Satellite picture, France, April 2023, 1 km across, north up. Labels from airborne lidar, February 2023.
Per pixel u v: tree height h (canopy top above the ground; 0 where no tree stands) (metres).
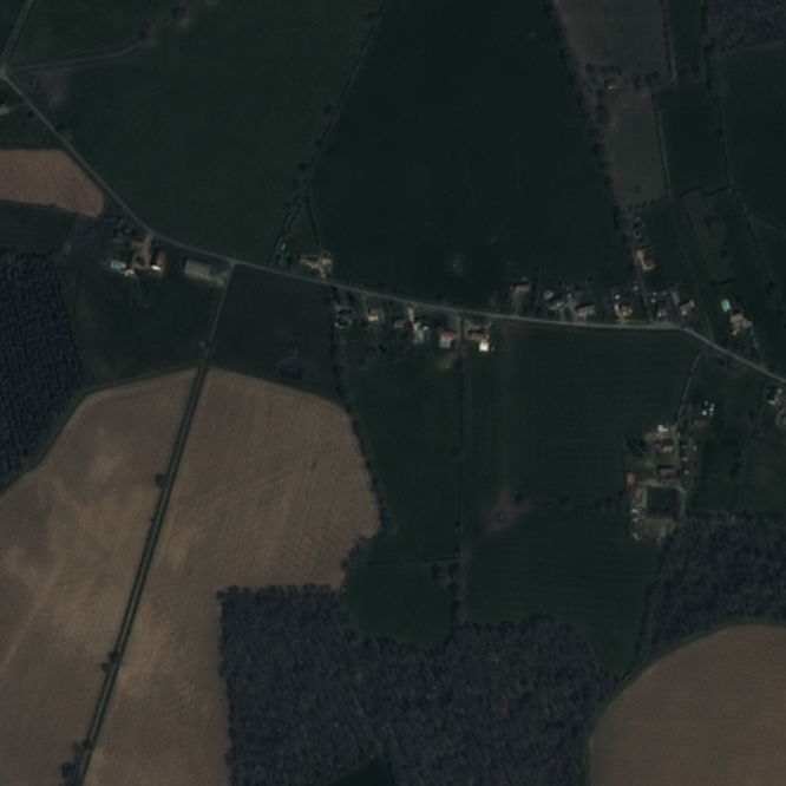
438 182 0
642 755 0
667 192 6
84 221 8
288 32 0
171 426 0
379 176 0
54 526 0
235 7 0
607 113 17
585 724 9
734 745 0
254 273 0
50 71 0
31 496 0
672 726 0
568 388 0
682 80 10
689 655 0
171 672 0
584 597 0
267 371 0
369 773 0
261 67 0
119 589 0
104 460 0
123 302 0
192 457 0
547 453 0
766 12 20
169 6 0
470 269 0
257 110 0
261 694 23
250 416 0
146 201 0
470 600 0
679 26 0
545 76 0
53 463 0
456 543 0
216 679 0
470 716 18
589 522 0
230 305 0
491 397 0
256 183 0
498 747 21
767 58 0
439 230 0
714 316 0
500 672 22
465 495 0
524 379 0
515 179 0
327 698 24
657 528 0
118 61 0
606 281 0
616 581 0
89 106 0
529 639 18
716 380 0
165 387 0
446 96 0
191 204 0
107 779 0
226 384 0
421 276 0
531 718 18
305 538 0
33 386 12
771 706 0
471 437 0
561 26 14
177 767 0
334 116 14
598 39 0
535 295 8
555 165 0
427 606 0
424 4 0
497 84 0
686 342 0
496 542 0
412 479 0
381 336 7
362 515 0
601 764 0
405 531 0
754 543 20
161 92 0
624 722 0
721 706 0
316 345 0
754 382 0
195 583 0
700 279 0
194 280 0
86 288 0
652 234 0
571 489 0
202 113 0
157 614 0
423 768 21
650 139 0
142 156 0
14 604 0
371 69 0
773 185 0
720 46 19
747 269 0
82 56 0
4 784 0
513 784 25
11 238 0
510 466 0
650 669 0
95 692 0
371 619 0
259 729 18
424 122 0
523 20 0
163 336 0
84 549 0
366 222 0
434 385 0
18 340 14
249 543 0
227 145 0
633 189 0
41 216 0
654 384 0
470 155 0
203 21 0
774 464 0
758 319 0
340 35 0
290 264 7
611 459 0
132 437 0
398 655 18
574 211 0
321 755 23
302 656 20
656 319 7
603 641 0
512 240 0
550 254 0
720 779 0
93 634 0
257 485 0
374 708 21
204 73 0
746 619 14
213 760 0
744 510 0
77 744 0
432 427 0
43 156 0
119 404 0
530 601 0
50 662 0
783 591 15
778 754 0
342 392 15
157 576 0
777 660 0
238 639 19
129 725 0
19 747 0
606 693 17
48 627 0
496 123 0
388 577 0
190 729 0
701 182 0
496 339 0
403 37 0
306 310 0
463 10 0
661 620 17
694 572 21
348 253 0
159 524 0
